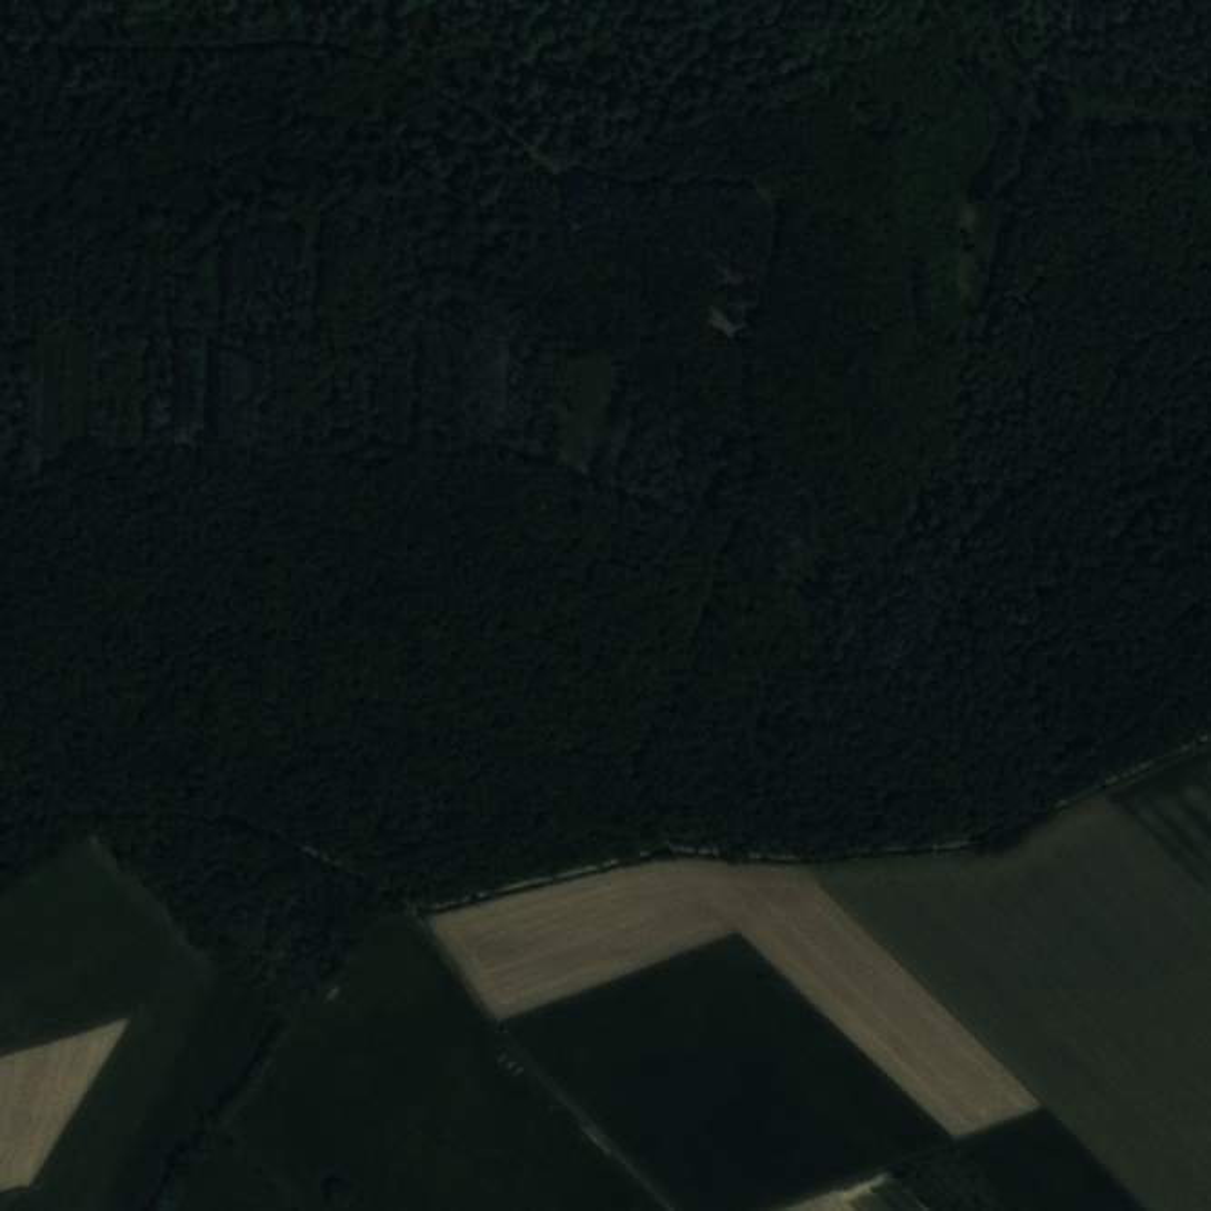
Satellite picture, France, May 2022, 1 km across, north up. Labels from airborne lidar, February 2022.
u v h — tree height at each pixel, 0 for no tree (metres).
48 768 26
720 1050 0
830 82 26
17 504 21
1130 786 0
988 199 12
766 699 25
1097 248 18
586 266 25
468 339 27
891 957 0
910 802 22
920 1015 0
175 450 18
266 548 23
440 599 24
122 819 25
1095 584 28
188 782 25
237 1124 0
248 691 25
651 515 24
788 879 0
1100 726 22
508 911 0
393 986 0
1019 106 17
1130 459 25
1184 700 22
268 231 22
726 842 20
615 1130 0
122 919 0
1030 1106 0
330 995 0
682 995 0
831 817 20
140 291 9
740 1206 0
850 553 27
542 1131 0
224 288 21
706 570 23
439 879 12
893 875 0
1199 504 18
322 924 21
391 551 25
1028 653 30
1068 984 0
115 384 13
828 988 0
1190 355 20
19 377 15
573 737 20
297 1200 0
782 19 39
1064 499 31
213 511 23
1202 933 0
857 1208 0
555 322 22
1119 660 24
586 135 39
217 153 10
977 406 26
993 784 24
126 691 23
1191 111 17
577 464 0
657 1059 0
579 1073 0
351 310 13
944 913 0
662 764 24
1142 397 17
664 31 33
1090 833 0
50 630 23
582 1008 0
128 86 13
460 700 20
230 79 12
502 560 26
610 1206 0
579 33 37
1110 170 21
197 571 24
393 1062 0
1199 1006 0
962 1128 0
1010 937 0
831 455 25
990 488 26
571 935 0
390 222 11
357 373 12
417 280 13
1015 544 26
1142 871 0
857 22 33
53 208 18
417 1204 0
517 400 15
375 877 21
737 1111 0
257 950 17
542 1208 0
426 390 26
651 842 20
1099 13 25
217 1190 0
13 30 35
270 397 15
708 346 22
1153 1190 0
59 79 28
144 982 0
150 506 26
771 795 25
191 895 19
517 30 37
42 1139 0
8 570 24
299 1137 0
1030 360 25
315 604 25
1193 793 0
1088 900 0
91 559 23
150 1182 0
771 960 0
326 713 24
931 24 16
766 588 25
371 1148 0
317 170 13
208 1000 0
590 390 0
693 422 25
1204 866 0
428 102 19
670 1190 0
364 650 26
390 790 20
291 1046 0
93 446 21
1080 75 24
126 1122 0
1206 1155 0
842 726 28
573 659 26
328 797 25
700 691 25
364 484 22
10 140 14
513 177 21
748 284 23
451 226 18
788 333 19
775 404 22
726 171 22
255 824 22
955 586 28
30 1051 0
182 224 11
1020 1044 0
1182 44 31
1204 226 26
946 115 22
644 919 0
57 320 10
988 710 24
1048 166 17
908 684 27
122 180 14
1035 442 28
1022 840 11
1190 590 23
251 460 22
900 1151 0
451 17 38
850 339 23
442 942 0
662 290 21
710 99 34
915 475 27
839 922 0
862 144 26
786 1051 0
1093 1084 0
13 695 23
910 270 31
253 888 20
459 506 22
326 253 9
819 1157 0
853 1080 0
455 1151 0
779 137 17
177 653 24
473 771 20
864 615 29
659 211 23
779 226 17
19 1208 0
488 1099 0
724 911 0
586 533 27
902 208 25
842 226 22
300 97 13
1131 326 17
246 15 33
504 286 22
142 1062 0
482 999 0
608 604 28
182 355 20
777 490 30
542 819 20
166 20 14
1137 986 0
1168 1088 0
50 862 18
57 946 0
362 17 31
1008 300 20
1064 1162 0
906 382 30
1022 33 27
